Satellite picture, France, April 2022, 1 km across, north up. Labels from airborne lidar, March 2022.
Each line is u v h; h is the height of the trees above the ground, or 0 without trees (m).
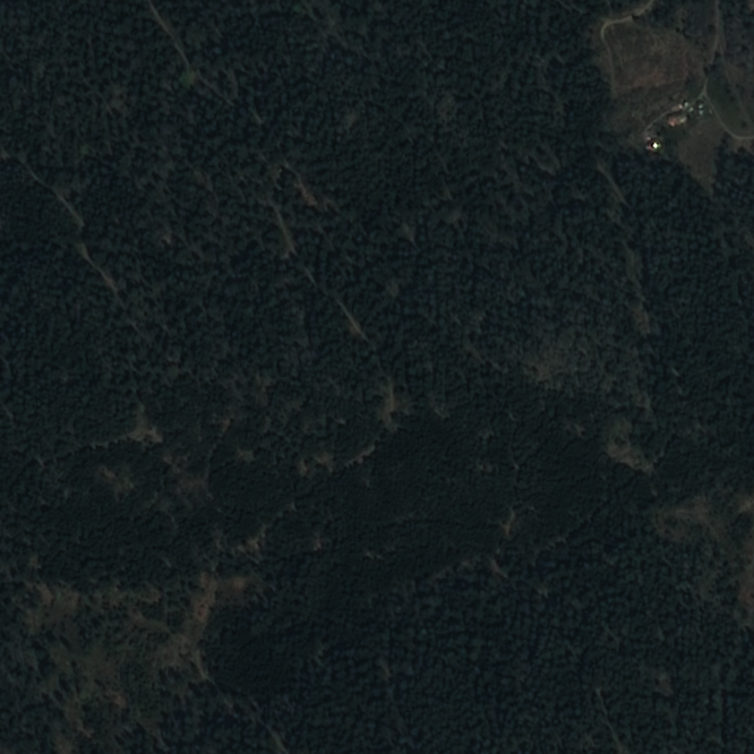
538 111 20
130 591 25
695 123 9
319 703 24
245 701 21
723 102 0
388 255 22
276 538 25
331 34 28
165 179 24
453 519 21
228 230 27
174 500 24
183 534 18
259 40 22
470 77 18
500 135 12
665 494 19
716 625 20
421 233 18
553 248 11
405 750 27
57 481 14
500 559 16
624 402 24
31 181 22
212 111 28
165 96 26
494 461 17
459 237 10
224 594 7
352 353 16
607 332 18
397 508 25
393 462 24
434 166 19
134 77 31
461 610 20
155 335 32
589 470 16
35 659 25
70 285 28
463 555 23
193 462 18
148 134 15
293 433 10
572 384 17
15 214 20
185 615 8
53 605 9
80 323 11
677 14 7
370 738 19
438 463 18
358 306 19
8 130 27
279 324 19
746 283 30
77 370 22
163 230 23
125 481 23
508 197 22
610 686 20
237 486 15
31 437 19
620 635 29
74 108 28
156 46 20
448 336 12
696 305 23
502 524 17
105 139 12
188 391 12
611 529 24
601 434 7
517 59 14
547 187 35
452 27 12
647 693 23
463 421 13
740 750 30
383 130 21
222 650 12
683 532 0
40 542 35
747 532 7
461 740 25
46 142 10
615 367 15
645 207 29
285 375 19
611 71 0
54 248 22
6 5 15
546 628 27
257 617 10
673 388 20
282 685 18
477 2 13
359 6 18
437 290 15
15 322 18
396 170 26
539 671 29
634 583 25
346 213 24
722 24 0
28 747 30
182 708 27
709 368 12
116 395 15
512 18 18
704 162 0
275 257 20
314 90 26
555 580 37
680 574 19
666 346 30
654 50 0
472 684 21
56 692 0
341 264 23
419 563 20
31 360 28
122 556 22
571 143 17
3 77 14
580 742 18
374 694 35
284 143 29
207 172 18
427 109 20
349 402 13
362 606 21
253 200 32
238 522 14
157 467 14
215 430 14
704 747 19
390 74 13
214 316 30
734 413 27
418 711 23
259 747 25
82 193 19
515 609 27
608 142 30
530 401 19
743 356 8
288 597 33
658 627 17
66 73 21
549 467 25
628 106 17
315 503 27
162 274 18
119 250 35
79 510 17
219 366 21
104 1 22
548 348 8
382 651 22
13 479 28
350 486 27
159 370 31
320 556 11
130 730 28
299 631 21
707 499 15
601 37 0
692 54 0
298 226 23
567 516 13
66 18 17
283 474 12
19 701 24
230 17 27
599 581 17
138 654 6
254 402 22
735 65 16
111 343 15
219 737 31
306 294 12
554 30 20
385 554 17
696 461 14
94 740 6
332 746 28
